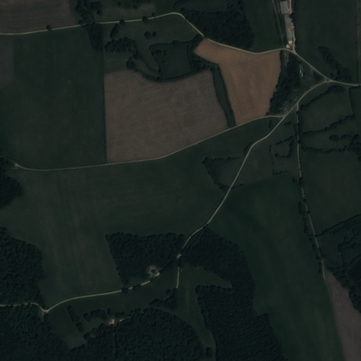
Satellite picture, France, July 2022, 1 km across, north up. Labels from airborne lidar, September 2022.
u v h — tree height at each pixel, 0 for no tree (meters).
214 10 0
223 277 20
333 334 0
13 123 0
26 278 18
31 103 0
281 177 0
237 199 0
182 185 0
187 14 7
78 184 0
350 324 0
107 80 0
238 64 0
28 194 0
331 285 0
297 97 0
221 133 0
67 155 0
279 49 0
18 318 16
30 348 17
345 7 0
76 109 0
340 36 0
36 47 0
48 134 0
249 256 0
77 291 0
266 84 0
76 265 0
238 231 0
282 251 0
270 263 0
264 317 12
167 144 0
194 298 0
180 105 0
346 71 21
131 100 0
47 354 20
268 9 0
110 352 20
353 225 10
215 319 18
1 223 0
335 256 0
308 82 0
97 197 0
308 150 11
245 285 21
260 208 0
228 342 17
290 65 8
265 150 0
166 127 0
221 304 16
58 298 0
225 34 12
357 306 19
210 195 0
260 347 18
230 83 0
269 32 0
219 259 19
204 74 0
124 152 0
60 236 0
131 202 0
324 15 0
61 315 0
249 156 0
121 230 0
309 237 11
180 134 0
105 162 0
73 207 0
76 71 0
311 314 0
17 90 0
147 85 0
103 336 17
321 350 0
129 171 0
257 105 0
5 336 19
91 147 0
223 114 0
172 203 0
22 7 0
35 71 0
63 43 0
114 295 0
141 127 0
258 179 0
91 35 11
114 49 15
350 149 12
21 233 0
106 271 0
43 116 0
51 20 0
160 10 0
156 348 17
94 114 0
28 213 0
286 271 0
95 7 15
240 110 0
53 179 0
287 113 0
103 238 0
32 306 14
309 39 0
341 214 0
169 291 16
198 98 0
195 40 13
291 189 0
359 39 0
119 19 0
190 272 0
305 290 0
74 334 0
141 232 0
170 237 15
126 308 0
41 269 18
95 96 0
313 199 0
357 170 0
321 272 13
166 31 0
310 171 0
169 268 18
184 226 0
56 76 0
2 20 0
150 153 0
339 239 0
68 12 0
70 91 0
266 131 0
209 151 0
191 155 0
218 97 7
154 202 0
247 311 19
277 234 0
